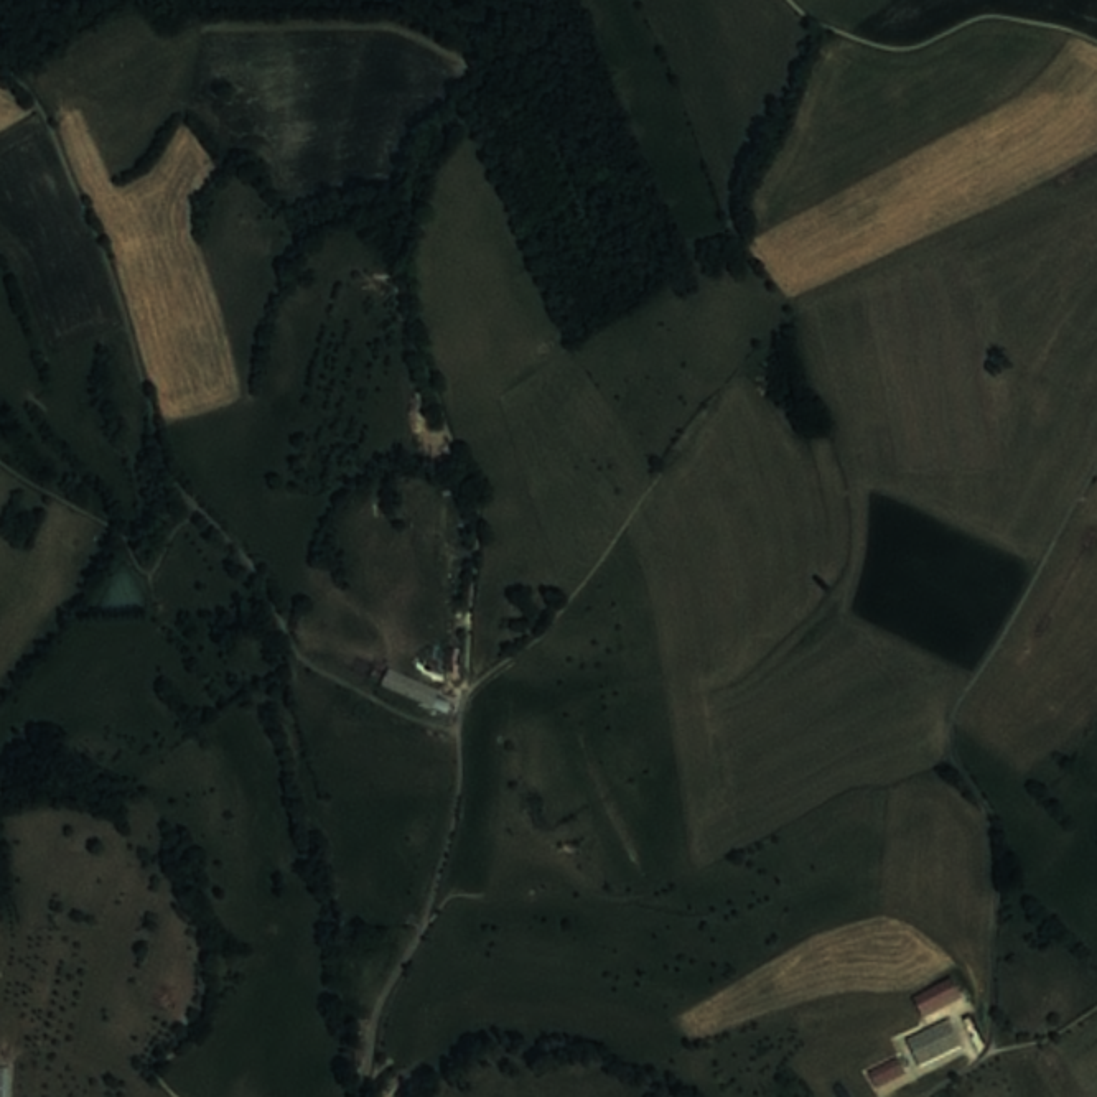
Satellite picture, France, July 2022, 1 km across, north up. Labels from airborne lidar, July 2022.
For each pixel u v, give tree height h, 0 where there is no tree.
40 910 0
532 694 0
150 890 6
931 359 0
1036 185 0
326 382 7
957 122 0
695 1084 0
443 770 0
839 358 0
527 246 20
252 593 16
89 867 0
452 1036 0
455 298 0
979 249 0
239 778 0
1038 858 0
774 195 0
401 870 0
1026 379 0
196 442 0
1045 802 11
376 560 0
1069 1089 0
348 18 14
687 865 0
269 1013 0
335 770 0
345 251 0
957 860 0
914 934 0
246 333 0
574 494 0
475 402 0
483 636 0
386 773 0
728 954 0
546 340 0
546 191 15
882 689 0
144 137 0
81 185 0
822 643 0
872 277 0
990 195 0
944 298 0
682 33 0
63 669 0
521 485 0
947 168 0
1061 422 0
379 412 0
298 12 13
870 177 0
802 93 8
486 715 0
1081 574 0
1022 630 0
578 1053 20
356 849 0
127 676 0
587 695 0
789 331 12
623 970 0
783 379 11
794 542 0
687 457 0
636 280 18
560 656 0
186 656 8
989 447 0
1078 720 0
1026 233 0
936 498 0
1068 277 0
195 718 9
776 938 8
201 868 16
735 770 0
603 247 21
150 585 0
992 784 0
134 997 0
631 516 0
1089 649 0
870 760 0
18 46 22
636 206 26
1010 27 0
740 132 0
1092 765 0
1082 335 0
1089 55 0
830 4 0
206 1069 0
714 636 0
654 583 0
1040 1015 0
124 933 0
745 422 0
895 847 0
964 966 0
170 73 0
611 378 0
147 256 0
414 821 0
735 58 0
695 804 0
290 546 0
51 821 0
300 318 0
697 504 0
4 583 0
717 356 0
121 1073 0
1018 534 0
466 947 0
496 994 0
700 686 0
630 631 0
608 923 0
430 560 0
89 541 0
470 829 0
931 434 0
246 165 15
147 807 0
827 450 0
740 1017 0
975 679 0
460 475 20
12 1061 0
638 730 0
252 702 9
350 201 12
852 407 0
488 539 15
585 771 0
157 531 19
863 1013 0
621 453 0
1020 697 0
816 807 0
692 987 0
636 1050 0
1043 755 0
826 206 0
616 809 0
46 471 9
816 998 0
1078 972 0
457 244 0
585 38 16
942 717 0
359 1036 12
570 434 0
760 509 0
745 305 0
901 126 0
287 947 0
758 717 0
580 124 22
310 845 7
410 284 16
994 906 0
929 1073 0
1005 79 0
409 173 15
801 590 0
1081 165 0
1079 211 0
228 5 10
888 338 0
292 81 0
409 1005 0
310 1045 0
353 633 0
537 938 0
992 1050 0
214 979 17
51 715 0
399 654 0
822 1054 0
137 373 0
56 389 0
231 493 0
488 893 0
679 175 0
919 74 0
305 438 9
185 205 0
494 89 16
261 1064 0
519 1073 11
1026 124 0
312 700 0
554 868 0
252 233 0
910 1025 0
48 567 0
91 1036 0
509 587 0
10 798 21
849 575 0
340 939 22
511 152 16
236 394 0
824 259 0
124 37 0
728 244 15
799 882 0
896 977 0
